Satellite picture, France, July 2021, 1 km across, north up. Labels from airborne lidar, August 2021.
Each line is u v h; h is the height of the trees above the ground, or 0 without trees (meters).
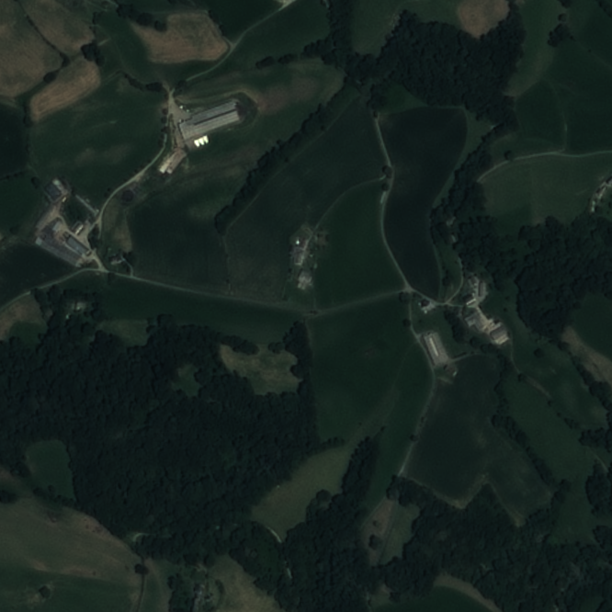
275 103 0
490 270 18
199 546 19
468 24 0
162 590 0
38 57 0
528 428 0
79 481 22
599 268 21
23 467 17
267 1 0
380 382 0
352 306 0
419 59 27
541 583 28
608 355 0
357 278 0
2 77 0
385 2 0
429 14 0
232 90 0
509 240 8
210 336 25
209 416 26
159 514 17
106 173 0
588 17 0
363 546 16
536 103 0
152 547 10
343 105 0
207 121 0
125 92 0
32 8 0
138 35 0
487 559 28
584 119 0
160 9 0
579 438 0
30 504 0
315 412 27
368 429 0
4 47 0
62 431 23
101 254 0
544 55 0
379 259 0
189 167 0
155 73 0
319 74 0
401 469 0
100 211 0
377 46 0
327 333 0
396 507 0
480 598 0
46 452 0
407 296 18
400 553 0
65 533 0
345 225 0
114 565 0
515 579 20
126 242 0
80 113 0
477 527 25
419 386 0
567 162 0
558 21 0
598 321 0
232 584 0
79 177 0
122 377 26
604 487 23
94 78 0
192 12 0
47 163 0
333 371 0
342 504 27
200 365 19
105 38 0
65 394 24
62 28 0
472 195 29
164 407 26
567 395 0
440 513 26
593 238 9
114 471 27
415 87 17
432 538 23
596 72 0
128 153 0
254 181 23
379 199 0
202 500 21
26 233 0
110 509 20
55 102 0
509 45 24
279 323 0
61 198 0
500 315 0
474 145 0
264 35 0
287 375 0
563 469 0
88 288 6
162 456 25
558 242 7
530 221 0
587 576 15
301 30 0
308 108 0
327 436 0
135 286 0
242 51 0
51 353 25
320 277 0
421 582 22
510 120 30
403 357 0
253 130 0
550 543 27
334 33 9
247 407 25
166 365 27
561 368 0
